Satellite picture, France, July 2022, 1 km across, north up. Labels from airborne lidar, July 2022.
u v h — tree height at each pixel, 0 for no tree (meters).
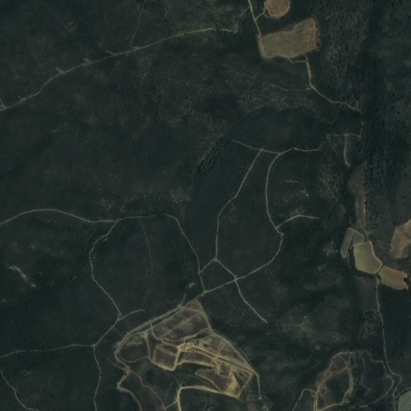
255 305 0
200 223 0
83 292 0
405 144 6
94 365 0
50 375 0
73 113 7
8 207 0
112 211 7
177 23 0
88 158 0
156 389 0
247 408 0
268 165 0
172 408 0
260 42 0
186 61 0
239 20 7
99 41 0
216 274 0
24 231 8
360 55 8
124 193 0
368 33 14
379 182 14
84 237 11
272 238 0
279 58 0
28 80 0
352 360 6
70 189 6
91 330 0
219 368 0
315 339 0
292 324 0
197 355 0
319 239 6
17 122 0
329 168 12
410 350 0
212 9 0
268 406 0
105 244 8
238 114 8
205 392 0
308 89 0
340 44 8
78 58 0
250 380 0
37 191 0
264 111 6
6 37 0
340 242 7
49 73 0
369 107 6
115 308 0
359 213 0
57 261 5
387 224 0
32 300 6
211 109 6
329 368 0
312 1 8
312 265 7
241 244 0
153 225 0
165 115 0
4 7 8
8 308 8
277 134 0
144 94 6
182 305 0
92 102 0
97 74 0
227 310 10
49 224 7
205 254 0
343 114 15
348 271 7
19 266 0
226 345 0
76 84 0
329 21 10
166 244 6
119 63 0
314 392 0
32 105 0
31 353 5
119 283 0
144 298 0
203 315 0
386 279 0
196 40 0
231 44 11
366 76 11
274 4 0
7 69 0
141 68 0
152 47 0
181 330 0
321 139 7
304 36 0
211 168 8
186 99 9
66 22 0
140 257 0
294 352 7
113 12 0
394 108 10
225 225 0
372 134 8
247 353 0
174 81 0
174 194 0
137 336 0
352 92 9
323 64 0
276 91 0
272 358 0
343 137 10
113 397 7
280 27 0
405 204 6
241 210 0
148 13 0
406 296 8
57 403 0
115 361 0
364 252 0
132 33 0
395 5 12
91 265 0
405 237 0
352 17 9
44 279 6
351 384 0
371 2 6
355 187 0
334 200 7
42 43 0
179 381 0
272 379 0
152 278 0
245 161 0
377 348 6
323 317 0
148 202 6
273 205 6
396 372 0
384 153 12
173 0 0
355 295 7
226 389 0
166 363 0
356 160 11
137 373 0
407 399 0
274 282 0
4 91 0
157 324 0
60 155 0
